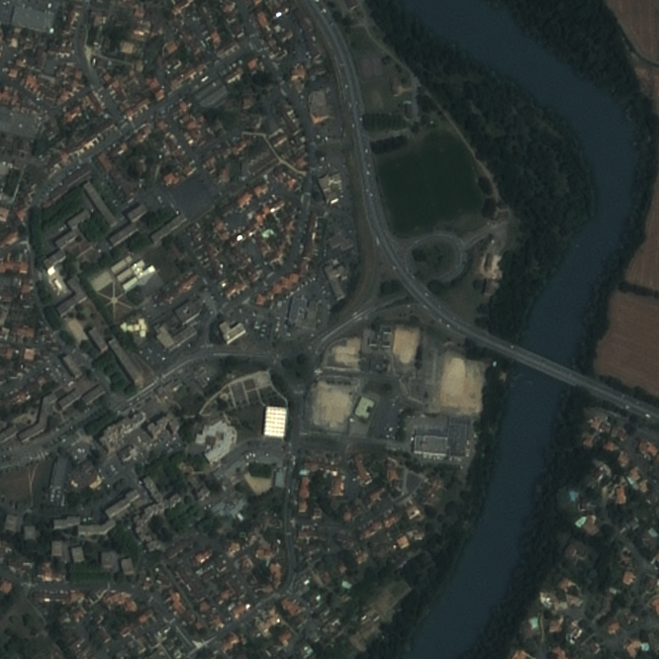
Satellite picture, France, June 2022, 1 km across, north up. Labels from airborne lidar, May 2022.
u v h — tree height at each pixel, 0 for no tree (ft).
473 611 0
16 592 39
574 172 82
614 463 72
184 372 0
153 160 26
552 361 0
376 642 37
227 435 0
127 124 0
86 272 37
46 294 47
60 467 0
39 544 24
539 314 0
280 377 42
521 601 28
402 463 29
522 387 0
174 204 0
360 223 0
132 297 35
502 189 56
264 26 0
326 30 0
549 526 69
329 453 23
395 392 0
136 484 0
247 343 0
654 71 0
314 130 0
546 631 24
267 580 33
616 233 0
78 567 64
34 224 61
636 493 33
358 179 0
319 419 0
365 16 0
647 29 0
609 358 0
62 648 33
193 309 0
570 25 60
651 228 0
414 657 0
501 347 0
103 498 24
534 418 0
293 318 0
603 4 57
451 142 0
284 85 0
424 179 0
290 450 0
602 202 0
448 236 0
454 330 0
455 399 0
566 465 47
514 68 0
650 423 20
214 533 38
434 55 104
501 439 0
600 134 0
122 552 71
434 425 0
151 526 26
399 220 0
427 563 21
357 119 0
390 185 0
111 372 45
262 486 0
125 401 0
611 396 0
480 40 0
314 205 0
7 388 0
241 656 0
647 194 40
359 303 0
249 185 25
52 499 0
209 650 20
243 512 27
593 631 48
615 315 0
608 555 24
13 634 38
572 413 79
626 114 27
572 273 0
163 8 20
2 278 0
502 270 38
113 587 0
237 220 0
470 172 0
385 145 60
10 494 0
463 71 112
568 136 29
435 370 0
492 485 0
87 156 0
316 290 0
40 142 42
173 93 0
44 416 0
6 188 22
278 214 21
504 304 53
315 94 0
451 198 0
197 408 0
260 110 30
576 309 0
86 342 63
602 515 78
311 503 34
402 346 0
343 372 0
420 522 29
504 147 64
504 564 0
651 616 0
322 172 0
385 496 22
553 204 112
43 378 0
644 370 0
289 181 0
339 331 0
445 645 0
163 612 0
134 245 67
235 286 0
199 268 0
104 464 0
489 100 129
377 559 44
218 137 28
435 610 0
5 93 0
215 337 49
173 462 59
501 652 68
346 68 0
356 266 47
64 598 0
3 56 0
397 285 45
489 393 52
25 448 0
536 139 91
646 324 0
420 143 0
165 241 39
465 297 0
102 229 70
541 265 49
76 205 60
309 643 34
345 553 43
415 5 0
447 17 0
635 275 0
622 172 0
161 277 0
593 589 70
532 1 51
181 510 42
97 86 0
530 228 70
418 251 40
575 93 0
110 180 24
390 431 0
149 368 0
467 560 0
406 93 0
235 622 0
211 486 50
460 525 39
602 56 75
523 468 0
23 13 0
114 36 41
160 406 0
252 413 0
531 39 0
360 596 20
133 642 0
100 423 66
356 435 0
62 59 0
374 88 0
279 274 0
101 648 36
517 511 0
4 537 47
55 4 0
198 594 0
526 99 25
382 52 0
